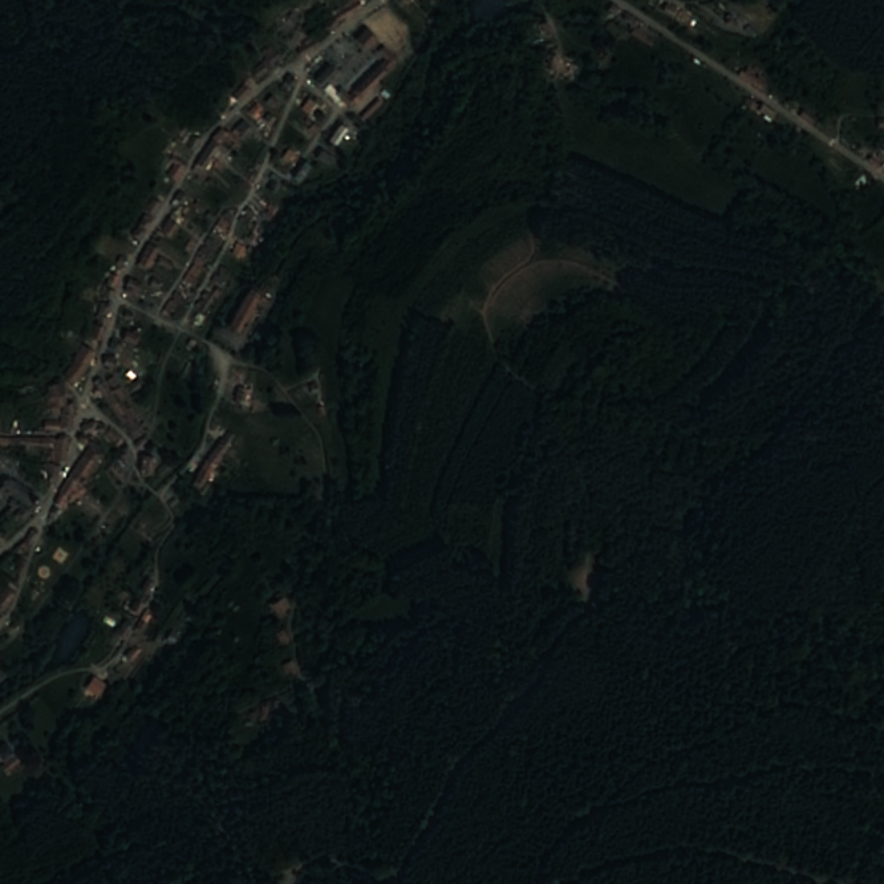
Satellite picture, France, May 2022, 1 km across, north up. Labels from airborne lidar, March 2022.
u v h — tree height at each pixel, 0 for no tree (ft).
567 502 52
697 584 95
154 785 52
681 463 58
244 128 0
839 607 73
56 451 0
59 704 0
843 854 43
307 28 20
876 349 104
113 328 0
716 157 27
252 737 0
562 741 63
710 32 0
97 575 27
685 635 103
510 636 85
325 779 92
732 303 58
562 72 0
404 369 73
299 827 78
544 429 77
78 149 82
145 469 0
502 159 18
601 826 74
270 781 53
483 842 35
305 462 39
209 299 0
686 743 70
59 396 0
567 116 0
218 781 95
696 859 57
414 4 0
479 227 0
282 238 85
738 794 81
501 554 0
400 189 74
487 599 105
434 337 79
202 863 121
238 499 40
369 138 61
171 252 0
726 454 72
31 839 73
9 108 45
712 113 0
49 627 55
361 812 21
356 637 76
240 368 0
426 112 35
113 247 0
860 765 52
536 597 77
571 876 67
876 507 88
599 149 0
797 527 82
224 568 59
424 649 100
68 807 101
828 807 42
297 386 0
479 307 0
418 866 56
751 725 55
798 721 67
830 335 143
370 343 0
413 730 59
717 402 111
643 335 73
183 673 73
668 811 73
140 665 0
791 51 30
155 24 60
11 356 52
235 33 109
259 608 0
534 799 76
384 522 76
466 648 106
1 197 70
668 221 95
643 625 107
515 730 77
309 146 0
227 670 50
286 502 25
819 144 0
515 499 76
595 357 31
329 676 103
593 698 59
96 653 0
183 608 0
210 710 62
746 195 60
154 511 0
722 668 92
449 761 47
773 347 125
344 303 0
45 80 51
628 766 73
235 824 115
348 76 0
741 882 50
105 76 101
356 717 91
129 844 80
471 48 74
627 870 65
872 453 77
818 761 72
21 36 49
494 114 23
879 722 87
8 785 0
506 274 0
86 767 93
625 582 100
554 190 93
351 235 79
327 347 0
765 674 62
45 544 0
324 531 84
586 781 88
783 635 106
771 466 103
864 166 0
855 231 30
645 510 72
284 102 0
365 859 48
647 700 67
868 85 0
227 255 0
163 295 0
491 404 30
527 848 82
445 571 98
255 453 0
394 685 104
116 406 0
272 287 0
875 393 88
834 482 77
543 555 68
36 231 27
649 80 0
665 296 97
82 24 93
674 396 90
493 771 56
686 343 52
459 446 28
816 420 118
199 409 66
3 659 0
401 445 76
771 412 78
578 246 90
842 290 118
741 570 70
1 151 36
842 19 86
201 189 0
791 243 89
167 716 61
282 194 0
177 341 0
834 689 81
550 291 0
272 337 81
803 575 73
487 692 88
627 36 0
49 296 24
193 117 44
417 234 26
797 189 0
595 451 62
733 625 108
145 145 0
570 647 74
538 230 92
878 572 98
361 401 57
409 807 55
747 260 94
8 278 36
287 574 55
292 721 104
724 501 113
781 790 56
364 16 0
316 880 42
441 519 23
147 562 21
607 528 79
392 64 0
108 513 0
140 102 99
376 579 38
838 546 91
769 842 55
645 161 0
